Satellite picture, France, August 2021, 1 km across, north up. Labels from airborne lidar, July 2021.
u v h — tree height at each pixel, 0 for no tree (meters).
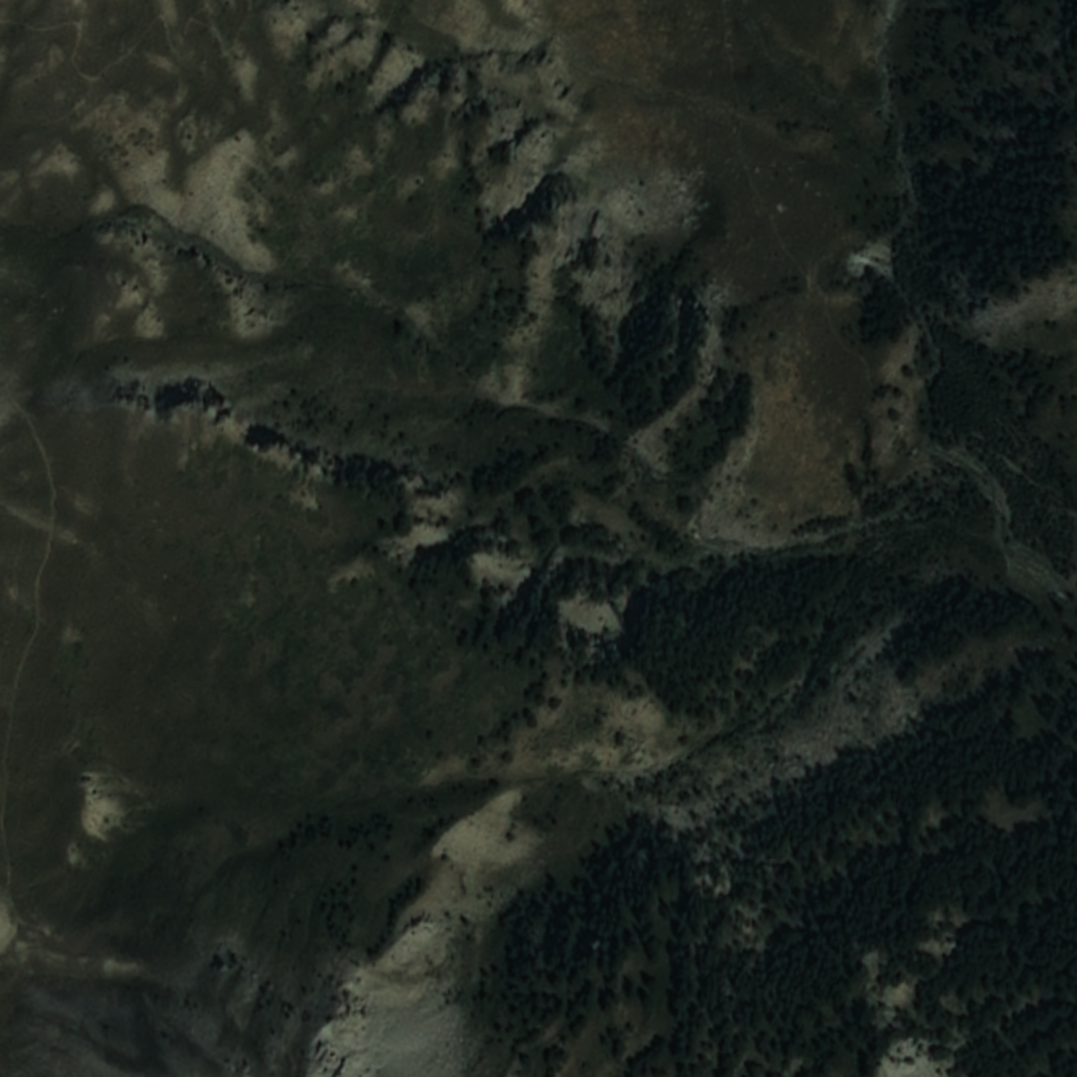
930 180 13
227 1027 0
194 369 0
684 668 17
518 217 6
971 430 7
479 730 0
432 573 9
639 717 0
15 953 0
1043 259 11
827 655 6
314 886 0
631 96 0
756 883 14
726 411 15
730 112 0
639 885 16
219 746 0
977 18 11
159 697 0
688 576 12
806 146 0
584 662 12
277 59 0
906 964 21
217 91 0
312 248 0
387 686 0
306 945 0
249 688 0
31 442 0
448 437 0
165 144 0
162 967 0
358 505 0
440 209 0
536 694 10
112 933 0
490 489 15
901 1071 0
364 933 0
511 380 0
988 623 27
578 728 0
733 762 0
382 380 0
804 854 15
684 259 7
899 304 16
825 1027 24
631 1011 0
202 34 0
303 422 7
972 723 25
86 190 0
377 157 0
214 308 0
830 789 23
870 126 0
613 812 0
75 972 0
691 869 6
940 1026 13
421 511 0
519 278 0
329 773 0
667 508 0
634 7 0
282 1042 0
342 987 0
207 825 0
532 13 0
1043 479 6
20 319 0
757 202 0
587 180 0
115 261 0
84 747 0
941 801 16
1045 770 27
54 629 0
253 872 0
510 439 6
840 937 24
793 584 18
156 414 0
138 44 0
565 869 0
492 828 0
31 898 0
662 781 10
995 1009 23
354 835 8
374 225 0
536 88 0
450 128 0
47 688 0
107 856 0
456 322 0
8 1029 0
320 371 0
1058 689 20
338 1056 0
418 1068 0
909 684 16
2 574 0
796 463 0
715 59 0
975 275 7
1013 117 12
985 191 22
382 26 0
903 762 19
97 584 0
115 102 0
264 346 0
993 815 0
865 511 7
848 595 7
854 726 0
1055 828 16
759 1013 24
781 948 20
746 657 13
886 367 0
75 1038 0
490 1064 0
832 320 0
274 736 0
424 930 0
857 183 0
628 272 0
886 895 19
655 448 0
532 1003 8
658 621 15
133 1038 0
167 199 0
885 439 0
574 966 16
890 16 0
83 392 0
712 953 19
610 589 7
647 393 8
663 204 0
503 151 10
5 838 0
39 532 0
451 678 0
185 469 0
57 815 0
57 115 0
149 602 0
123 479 0
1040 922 28
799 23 0
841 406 0
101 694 0
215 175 0
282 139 0
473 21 0
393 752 0
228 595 0
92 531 0
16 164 0
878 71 0
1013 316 0
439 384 0
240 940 0
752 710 12
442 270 0
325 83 0
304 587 0
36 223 0
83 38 0
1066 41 6
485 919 0
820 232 0
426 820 0
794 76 0
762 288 0
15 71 0
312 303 0
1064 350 0
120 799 0
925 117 10
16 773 0
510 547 11
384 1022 0
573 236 0
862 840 0
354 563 0
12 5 0
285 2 0
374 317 0
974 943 25
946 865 24
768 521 0
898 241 9
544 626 12
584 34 0
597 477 0
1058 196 16
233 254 0
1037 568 0
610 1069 0
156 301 0
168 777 0
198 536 0
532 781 0
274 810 0
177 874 0
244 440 0
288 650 0
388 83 0
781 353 0
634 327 9
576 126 0
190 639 0
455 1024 0
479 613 0
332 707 0
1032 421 9
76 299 0
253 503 0
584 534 12
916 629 8
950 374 10
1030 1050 18
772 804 9
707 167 0
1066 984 24
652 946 19
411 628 0
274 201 0
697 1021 12
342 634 0
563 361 0
